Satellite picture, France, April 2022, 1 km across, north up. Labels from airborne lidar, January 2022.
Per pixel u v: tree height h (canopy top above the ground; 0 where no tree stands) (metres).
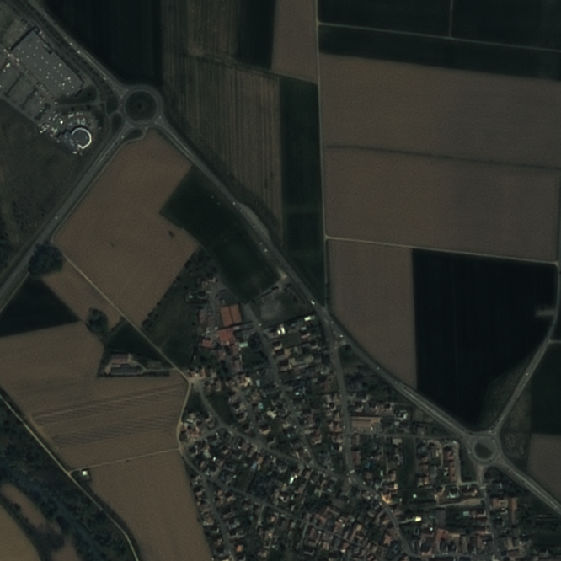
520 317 0
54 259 22
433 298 0
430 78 0
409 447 0
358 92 0
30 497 15
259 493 12
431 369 0
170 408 0
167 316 0
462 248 0
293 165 0
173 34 0
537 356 0
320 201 0
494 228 0
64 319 0
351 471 0
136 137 0
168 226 0
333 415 0
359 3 0
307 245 0
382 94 0
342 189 0
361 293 0
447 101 0
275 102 0
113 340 0
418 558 0
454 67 0
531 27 0
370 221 0
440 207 0
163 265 0
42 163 0
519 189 0
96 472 0
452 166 0
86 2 0
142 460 0
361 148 0
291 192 0
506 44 0
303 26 0
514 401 0
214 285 0
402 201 0
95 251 0
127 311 0
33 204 0
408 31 0
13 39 0
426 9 0
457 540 0
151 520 0
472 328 0
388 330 0
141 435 0
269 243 0
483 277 0
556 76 0
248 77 0
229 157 0
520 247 0
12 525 0
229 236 0
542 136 0
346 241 0
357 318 0
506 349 0
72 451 0
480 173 0
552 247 0
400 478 0
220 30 0
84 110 0
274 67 0
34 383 0
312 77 0
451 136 0
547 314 0
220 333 0
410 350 0
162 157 0
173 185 0
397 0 0
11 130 0
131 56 0
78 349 0
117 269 0
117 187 0
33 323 0
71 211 0
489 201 0
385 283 0
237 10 0
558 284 0
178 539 0
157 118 0
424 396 0
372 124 0
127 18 0
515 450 0
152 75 0
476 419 0
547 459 0
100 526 12
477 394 0
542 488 0
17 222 0
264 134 0
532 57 0
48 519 17
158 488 0
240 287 0
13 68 0
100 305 0
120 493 0
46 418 0
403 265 0
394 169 0
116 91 0
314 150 0
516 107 0
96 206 0
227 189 0
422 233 0
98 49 0
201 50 0
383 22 0
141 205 0
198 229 0
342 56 0
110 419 0
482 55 0
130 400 0
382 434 0
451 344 0
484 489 0
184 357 0
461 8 0
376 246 0
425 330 0
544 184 0
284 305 0
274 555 0
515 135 0
